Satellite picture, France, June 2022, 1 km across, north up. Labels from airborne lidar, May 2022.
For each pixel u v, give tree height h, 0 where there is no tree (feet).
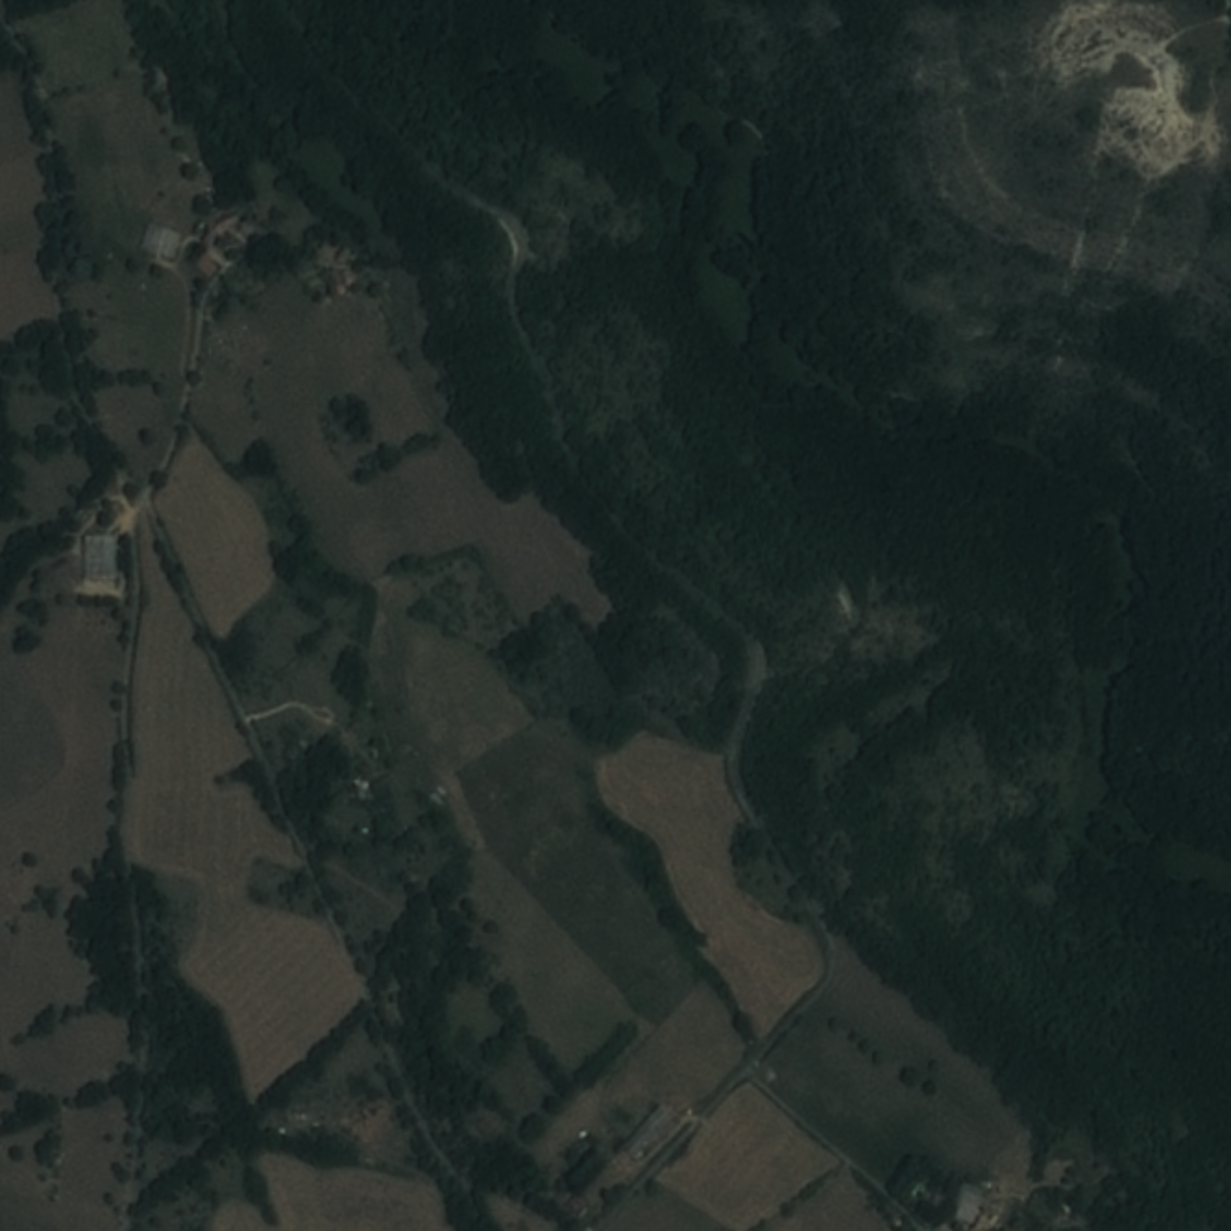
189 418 38
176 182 0
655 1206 0
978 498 72
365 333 0
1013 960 27
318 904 21
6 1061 0
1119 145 0
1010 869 23
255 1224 0
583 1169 48
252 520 0
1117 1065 42
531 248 25
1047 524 44
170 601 0
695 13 41
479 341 29
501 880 0
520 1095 0
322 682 0
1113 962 52
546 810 0
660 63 60
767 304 56
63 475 0
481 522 0
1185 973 47
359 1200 0
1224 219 27
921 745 37
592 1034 0
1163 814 57
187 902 0
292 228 0
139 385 35
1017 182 0
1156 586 59
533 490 24
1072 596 38
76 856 0
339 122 46
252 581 0
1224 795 19
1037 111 0
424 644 0
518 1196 34
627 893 0
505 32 72
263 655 0
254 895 17
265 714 0
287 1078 34
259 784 26
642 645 28
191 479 0
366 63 61
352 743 0
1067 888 42
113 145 0
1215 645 28
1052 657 27
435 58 53
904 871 31
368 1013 31
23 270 0
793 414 68
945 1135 0
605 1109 0
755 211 42
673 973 0
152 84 22
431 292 27
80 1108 25
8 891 0
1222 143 0
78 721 0
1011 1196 0
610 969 0
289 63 39
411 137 45
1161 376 36
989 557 57
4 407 29
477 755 0
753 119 37
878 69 27
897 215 32
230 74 38
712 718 29
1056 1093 38
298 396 0
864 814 33
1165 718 57
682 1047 0
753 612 29
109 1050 0
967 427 62
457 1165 28
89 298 0
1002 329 20
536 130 43
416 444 32
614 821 32
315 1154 23
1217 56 0
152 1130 24
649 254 39
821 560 27
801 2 25
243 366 0
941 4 23
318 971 0
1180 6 0
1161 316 29
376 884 0
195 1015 43
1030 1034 26
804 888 35
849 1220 0
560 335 28
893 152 23
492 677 0
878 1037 0
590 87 0
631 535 34
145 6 42
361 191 54
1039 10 0
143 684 0
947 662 23
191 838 0
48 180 26
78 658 0
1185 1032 45
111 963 39
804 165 28
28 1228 0
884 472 73
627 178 47
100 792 0
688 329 46
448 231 39
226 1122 34
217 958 0
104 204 0
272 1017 0
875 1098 0
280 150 19
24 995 0
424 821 29
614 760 0
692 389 37
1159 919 64
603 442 41
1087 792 0
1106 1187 26
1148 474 38
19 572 57
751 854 47
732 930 0
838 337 44
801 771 43
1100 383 26
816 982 0
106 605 24
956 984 52
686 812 0
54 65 0
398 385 0
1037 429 39
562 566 0
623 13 41
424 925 32
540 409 22
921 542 56
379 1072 28
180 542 0
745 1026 44
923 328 31
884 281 28
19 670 0
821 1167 0
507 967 0
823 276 48
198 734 0
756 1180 0
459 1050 0
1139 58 0
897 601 37
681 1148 0
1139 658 58
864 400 41
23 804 0
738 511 39
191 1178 32
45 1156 40
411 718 0
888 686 54
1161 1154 26
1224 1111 48
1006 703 34
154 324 0
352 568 0
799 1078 0
